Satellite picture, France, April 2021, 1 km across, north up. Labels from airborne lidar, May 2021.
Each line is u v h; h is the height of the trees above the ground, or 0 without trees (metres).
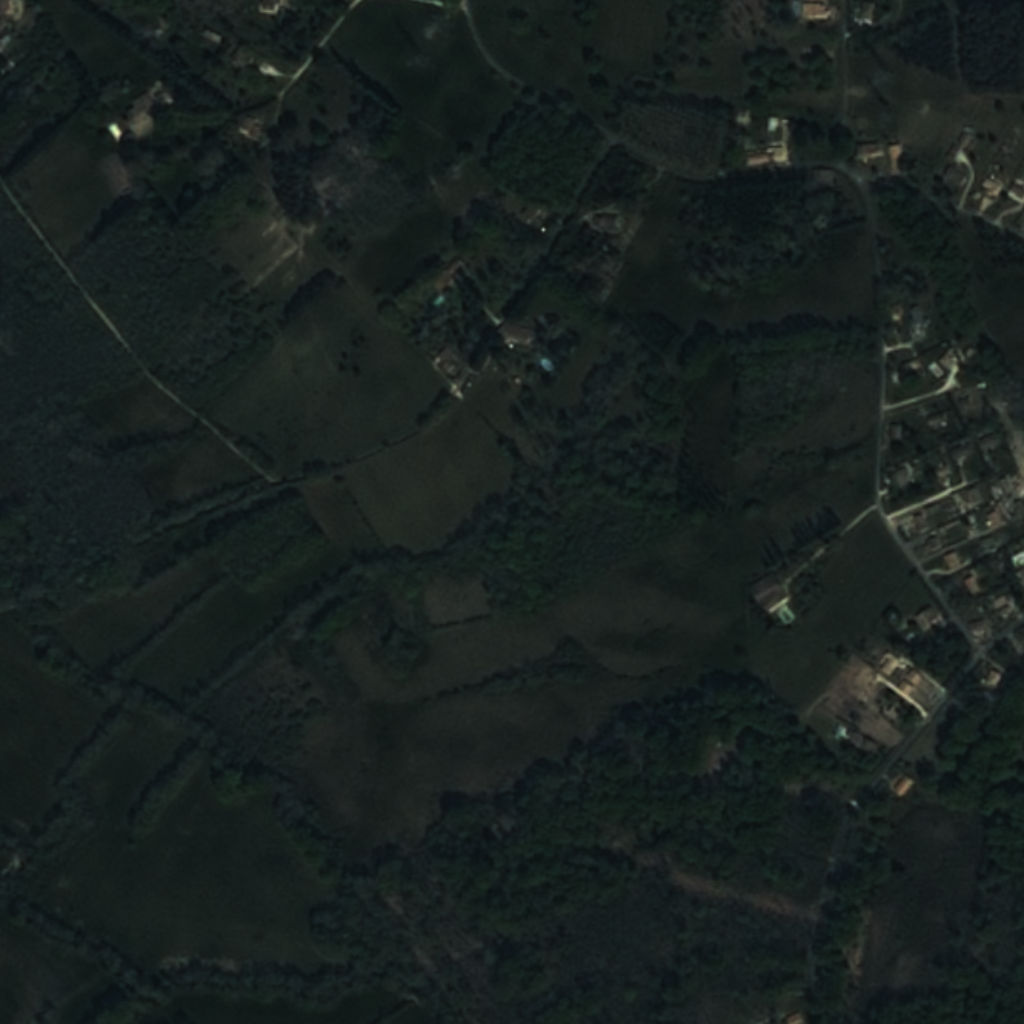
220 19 8
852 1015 10
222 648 0
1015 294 0
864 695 0
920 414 0
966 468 0
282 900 0
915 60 16
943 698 0
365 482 0
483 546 21
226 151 17
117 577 26
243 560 18
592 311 17
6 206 11
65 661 10
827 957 22
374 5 0
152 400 0
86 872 0
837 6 9
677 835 18
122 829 0
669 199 0
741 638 0
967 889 8
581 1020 25
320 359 0
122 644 0
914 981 8
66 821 16
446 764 0
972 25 16
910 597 0
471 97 0
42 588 23
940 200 14
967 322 16
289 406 0
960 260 21
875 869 18
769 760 23
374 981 12
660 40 0
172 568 15
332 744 0
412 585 19
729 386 0
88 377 15
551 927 21
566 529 6
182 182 0
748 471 0
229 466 0
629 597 0
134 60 0
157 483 0
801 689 0
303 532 17
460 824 24
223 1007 0
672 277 0
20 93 19
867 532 0
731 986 19
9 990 0
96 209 0
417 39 0
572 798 19
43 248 10
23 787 0
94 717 0
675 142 22
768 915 13
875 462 0
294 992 20
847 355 15
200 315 7
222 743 10
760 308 0
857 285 0
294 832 22
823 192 10
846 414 0
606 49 0
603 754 20
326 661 7
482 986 18
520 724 0
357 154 19
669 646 0
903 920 5
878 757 8
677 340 16
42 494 15
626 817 18
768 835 28
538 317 0
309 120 0
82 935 7
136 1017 24
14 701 0
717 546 0
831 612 0
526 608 19
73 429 20
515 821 33
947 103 0
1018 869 21
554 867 21
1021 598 20
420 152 0
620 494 17
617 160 7
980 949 16
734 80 0
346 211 16
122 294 13
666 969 11
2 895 13
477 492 0
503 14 0
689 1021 23
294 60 15
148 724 0
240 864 0
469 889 24
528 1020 20
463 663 0
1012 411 13
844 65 0
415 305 9
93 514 19
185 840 0
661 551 0
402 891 18
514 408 0
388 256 0
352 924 19
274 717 7
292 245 0
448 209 0
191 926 0
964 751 16
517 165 16
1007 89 17
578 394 0
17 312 23
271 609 0
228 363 7
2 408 19
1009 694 18
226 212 14
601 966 22
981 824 11
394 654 20
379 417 0
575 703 0
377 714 0
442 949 21
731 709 19
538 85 0
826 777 11
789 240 21
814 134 13
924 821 9
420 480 0
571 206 18
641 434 19
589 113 0
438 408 11
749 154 16
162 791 14
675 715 17
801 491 0
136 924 0
